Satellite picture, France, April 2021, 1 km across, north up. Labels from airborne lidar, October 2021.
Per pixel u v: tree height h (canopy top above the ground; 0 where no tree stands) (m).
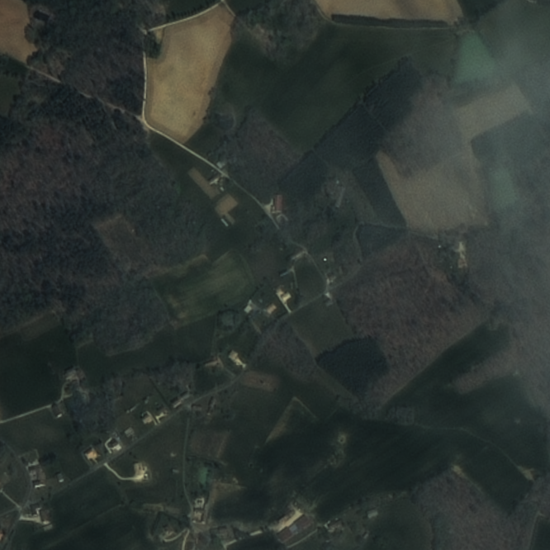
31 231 19
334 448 0
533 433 0
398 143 18
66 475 0
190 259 20
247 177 22
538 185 19
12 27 0
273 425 0
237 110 0
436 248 9
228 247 0
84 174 13
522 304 17
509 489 0
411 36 0
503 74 20
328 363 17
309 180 15
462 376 16
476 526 6
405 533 0
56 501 0
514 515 13
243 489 0
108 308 17
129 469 0
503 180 0
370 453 0
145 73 12
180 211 10
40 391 0
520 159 15
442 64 0
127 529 0
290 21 18
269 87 0
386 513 0
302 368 17
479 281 19
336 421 0
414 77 15
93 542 0
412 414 12
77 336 19
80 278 16
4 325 20
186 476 0
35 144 9
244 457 0
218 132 0
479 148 18
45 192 13
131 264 13
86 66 17
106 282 12
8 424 0
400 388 12
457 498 14
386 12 0
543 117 16
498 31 0
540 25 0
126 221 22
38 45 13
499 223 9
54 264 24
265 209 0
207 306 0
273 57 15
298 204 7
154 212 15
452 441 0
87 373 0
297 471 0
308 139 0
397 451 0
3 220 12
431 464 0
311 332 0
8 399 0
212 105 0
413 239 6
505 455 0
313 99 0
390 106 16
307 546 0
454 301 14
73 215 21
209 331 0
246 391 0
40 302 29
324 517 0
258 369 0
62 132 13
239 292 0
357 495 0
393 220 18
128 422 0
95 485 0
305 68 0
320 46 0
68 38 22
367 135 17
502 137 16
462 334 15
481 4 0
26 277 24
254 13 15
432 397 0
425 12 0
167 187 22
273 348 19
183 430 0
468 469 0
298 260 10
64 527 0
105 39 16
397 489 0
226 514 0
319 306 0
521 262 12
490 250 19
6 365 0
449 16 0
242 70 0
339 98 0
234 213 0
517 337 18
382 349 16
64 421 0
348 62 0
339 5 0
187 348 0
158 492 0
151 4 19
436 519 13
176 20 17
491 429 0
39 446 0
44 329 0
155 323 12
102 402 19
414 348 14
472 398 0
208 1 0
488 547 13
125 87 24
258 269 0
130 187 10
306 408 0
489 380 16
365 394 15
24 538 0
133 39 22
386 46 0
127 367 0
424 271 13
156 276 0
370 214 6
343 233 11
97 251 22
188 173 0
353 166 11
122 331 16
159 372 12
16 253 16
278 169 14
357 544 13
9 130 18
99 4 21
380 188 13
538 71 20
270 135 10
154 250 21
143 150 16
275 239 7
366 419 19
